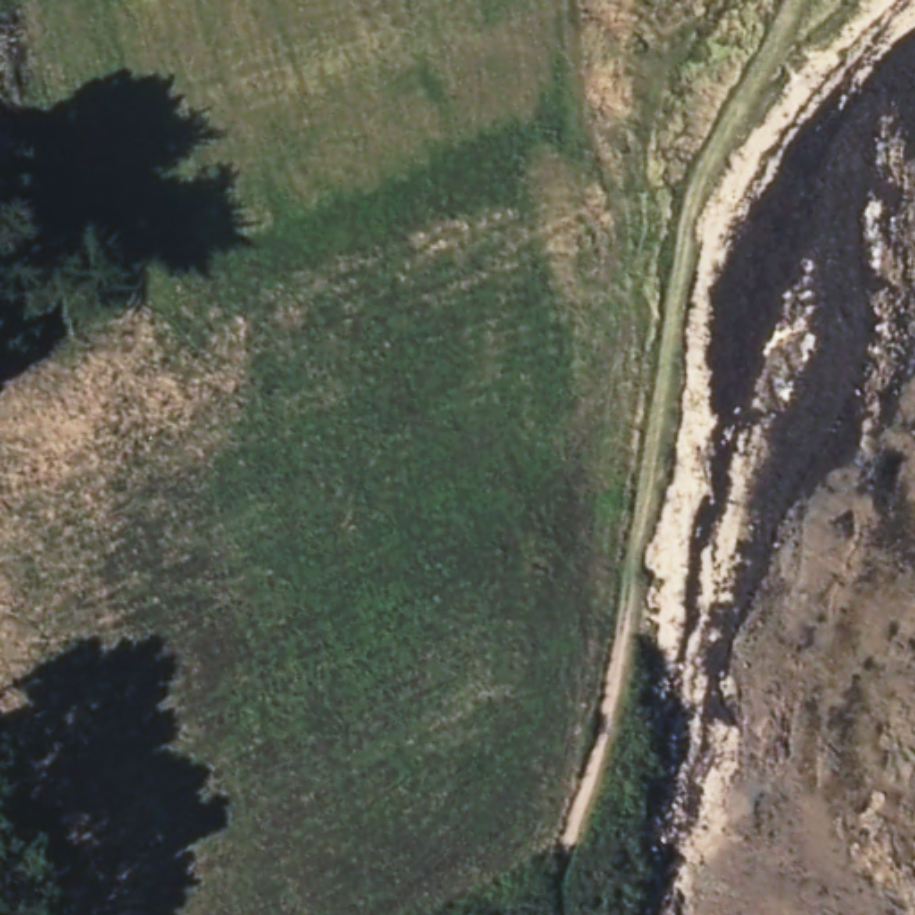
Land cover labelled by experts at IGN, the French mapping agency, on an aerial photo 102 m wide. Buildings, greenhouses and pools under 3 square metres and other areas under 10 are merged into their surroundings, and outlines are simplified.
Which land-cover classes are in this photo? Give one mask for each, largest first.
<instances>
[{"label":"agricultural land","instance_id":"1","mask_svg":"<svg viewBox=\"0 0 915 915\"><path fill-rule=\"evenodd\" d=\"M736 0H25V71L43 75L57 104H0V200L25 204L36 222V232L14 243L21 261L57 275L71 290H86V297L100 307H114L118 315L143 307L150 315L154 343L143 350L136 375L168 372L182 386L193 375L229 368L243 382L236 390L214 386L211 400H204L193 411L189 429H157L150 458H143V447L136 440L132 454L122 461V468H114V479L107 483L111 515L125 525L118 550L104 558L100 579L111 583L125 579L129 572H147V583L129 593V608L122 611L132 625V636L114 651H104L100 640H75L50 661H39L32 672L0 683V740L21 754V761L39 783L50 822L64 833L71 847L75 897L64 915H432L447 901L461 894H479V886L500 883L508 869H522L536 854L558 851L565 844L572 801L579 793V783L586 776L590 754L604 726V686L622 608V568L633 540L640 472L658 386V357L668 318L676 239L683 222L679 211H668V218L658 214V193L647 179V139L651 132H665L676 114L672 104L658 100V89L668 86L676 97L693 93L683 71L686 64H697L711 54L708 36L718 29V21Z\"/></svg>","mask_w":915,"mask_h":915},{"label":"bare soil","instance_id":"2","mask_svg":"<svg viewBox=\"0 0 915 915\"><path fill-rule=\"evenodd\" d=\"M651 572L661 579L658 640L668 665L658 693H679L690 715V747L676 776L672 822L668 829H661V844H672L683 858L679 876L665 894L661 915H915V0H861L858 14L844 25L836 39H829L826 50H808V61L801 71L790 75L783 100L768 111V118L751 132L747 147L733 157V168L722 179L701 222V268L690 315L676 483L668 490L658 540L647 554Z\"/></svg>","mask_w":915,"mask_h":915},{"label":"herbaceous vegetation","instance_id":"3","mask_svg":"<svg viewBox=\"0 0 915 915\"><path fill-rule=\"evenodd\" d=\"M154 343L150 315L143 307L118 315L114 307H100L89 311L75 329H68L61 347L43 365L29 368L0 390V683L32 672L39 661H50L75 640H100L104 651H114L132 636V625L122 611L129 608V593L147 583V572H129L125 579L111 583L100 579L104 558L118 550L125 525L111 515L107 483L114 479V468H122V461L132 454L136 440L143 447V458H150L157 429H189L193 411L204 400H211L214 386L236 390L243 382L229 368L193 375L182 386L168 372L136 375L143 350Z\"/></svg>","mask_w":915,"mask_h":915},{"label":"pervious surface","instance_id":"4","mask_svg":"<svg viewBox=\"0 0 915 915\"><path fill-rule=\"evenodd\" d=\"M861 0H736L718 21V29L708 36L711 54L697 64H686L683 71L693 93L676 97L668 86L658 89V100L672 104L676 114L665 132H651L647 139V179L658 193V214L668 218V211H679L683 222L676 239L668 318L658 357V386L640 472L633 540L622 568V608L604 686V726L590 754L586 776L579 783V793L572 801L565 844H579L583 836L608 751L618 736V704L625 690L633 636L651 633L658 640L661 579L651 572L647 554L658 540L668 490L676 483L690 315L701 268V222L722 179L733 168V157L747 147L751 132L768 118V111L783 100L790 75L801 71L808 61V50H826L829 39H836L844 25L858 14Z\"/></svg>","mask_w":915,"mask_h":915},{"label":"brushwood","instance_id":"5","mask_svg":"<svg viewBox=\"0 0 915 915\"><path fill-rule=\"evenodd\" d=\"M668 665L658 640L651 633L633 636L625 690L618 704V736L608 751L583 836L579 844H565L558 851L536 854L522 869H508L500 883L479 886V894H461L447 901L432 915H661L665 894L679 876L683 858L672 844H661V829H668L672 822L676 776L690 747V715L679 693H658Z\"/></svg>","mask_w":915,"mask_h":915},{"label":"deciduous trees","instance_id":"6","mask_svg":"<svg viewBox=\"0 0 915 915\"><path fill-rule=\"evenodd\" d=\"M25 0H0V104H57L43 75L25 71ZM36 232V222L25 204L0 200V390L29 368L43 365L61 347L68 329H75L89 311L100 307L86 297V290H71L57 275L21 261L14 243ZM75 897L71 847L64 833L50 822L39 783L21 761V754L0 740V915H64Z\"/></svg>","mask_w":915,"mask_h":915}]
</instances>
